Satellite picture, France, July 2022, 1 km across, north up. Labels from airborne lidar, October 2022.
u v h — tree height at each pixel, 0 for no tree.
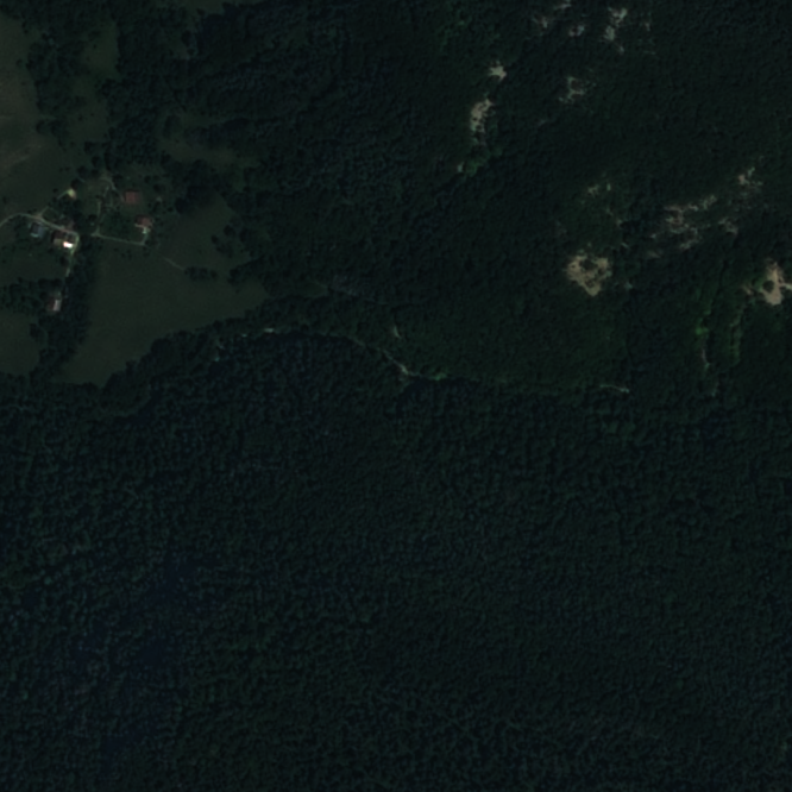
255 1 0
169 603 8
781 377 26
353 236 19
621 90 16
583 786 16
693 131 21
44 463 17
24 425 33
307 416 24
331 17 27
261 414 26
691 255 23
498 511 26
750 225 17
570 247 15
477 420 29
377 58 32
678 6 21
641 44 6
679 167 21
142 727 31
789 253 38
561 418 24
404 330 14
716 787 14
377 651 18
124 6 32
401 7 29
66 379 0
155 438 25
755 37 14
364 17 33
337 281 19
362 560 22
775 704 22
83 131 0
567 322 18
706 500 39
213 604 20
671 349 27
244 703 16
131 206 0
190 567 29
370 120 33
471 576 23
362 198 28
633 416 17
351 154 25
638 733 21
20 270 0
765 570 32
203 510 20
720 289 16
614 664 27
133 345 0
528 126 12
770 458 33
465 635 21
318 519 29
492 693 28
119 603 26
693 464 23
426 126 31
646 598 21
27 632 33
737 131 20
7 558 35
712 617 24
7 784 29
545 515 21
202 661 24
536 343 25
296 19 33
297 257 17
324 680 17
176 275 0
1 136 0
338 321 24
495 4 20
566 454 38
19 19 25
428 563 20
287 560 21
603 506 27
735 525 29
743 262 29
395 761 17
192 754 13
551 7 14
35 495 33
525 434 37
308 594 29
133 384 22
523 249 18
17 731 26
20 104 0
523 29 15
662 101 16
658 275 21
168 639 9
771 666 24
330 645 26
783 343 26
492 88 14
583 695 28
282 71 17
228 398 25
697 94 18
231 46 24
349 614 31
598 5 10
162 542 24
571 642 22
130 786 14
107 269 0
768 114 14
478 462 30
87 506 18
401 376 39
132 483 34
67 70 22
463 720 23
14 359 0
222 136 29
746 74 22
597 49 7
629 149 22
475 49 23
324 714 17
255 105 26
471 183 22
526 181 27
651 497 34
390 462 25
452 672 19
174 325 0
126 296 0
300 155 7
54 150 0
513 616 19
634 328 23
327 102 26
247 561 23
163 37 27
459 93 20
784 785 30
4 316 0
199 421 29
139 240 0
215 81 28
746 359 30
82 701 31
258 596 30
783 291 6
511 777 19
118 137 19
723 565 24
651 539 28
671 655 25
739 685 11
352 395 21
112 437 25
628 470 34
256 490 27
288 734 21
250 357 32
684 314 23
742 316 6
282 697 22
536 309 26
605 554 25
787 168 13
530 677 30
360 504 26
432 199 22
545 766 18
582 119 14
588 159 19
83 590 26
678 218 9
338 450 28
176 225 0
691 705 29
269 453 21
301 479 30
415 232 24
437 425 22
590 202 14
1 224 0
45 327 14
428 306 25
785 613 24
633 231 32
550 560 28
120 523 22
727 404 26
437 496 23
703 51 14
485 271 29
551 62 14
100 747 22
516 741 14
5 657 27
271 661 28
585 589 23
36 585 9
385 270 27
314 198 25
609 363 23
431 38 29
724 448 29
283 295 23
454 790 11
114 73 0
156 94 29
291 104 30
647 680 29
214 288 0
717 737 22
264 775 15
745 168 10
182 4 16
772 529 35
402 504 27
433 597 23
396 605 24
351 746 16
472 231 32
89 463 34
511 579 23
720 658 25
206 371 35
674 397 25
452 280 33
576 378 21
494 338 25
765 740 23
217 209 0
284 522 26
